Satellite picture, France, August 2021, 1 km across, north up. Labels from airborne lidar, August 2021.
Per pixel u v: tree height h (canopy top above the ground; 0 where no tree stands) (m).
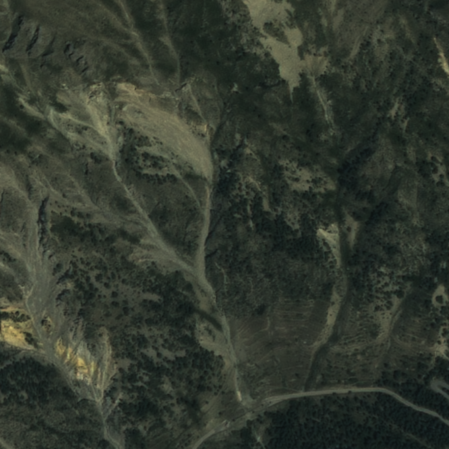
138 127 0
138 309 0
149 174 10
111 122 0
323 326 0
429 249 0
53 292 0
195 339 6
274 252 14
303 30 0
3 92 0
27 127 0
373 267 9
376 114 0
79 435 7
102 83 0
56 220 0
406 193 0
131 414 16
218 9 0
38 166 6
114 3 0
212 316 0
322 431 18
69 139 0
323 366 0
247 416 0
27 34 0
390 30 0
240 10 0
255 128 0
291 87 0
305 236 16
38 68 0
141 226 0
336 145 0
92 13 0
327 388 0
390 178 0
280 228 8
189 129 0
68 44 0
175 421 0
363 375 0
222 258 7
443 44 0
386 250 16
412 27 0
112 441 0
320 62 0
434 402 13
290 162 11
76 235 9
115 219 0
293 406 7
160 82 0
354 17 0
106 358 0
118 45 0
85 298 8
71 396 7
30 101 0
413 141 0
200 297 0
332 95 0
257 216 15
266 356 0
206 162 0
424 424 16
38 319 0
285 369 0
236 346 0
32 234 0
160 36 0
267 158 7
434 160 18
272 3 0
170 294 8
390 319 0
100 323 0
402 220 9
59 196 0
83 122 0
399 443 9
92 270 8
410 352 0
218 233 0
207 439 0
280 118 0
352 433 13
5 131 0
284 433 19
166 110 0
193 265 0
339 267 0
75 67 0
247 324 0
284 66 0
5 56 0
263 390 0
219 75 0
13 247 0
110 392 12
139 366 7
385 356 0
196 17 0
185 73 0
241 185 15
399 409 13
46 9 0
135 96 0
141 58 0
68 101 0
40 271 0
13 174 0
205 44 0
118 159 0
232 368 0
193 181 0
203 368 14
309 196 12
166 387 0
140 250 0
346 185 24
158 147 0
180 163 0
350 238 0
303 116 0
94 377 0
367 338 0
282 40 0
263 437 0
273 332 0
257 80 0
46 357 0
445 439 21
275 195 14
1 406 10
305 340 0
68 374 0
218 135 0
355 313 0
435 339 0
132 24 0
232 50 0
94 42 0
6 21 0
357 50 0
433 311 0
